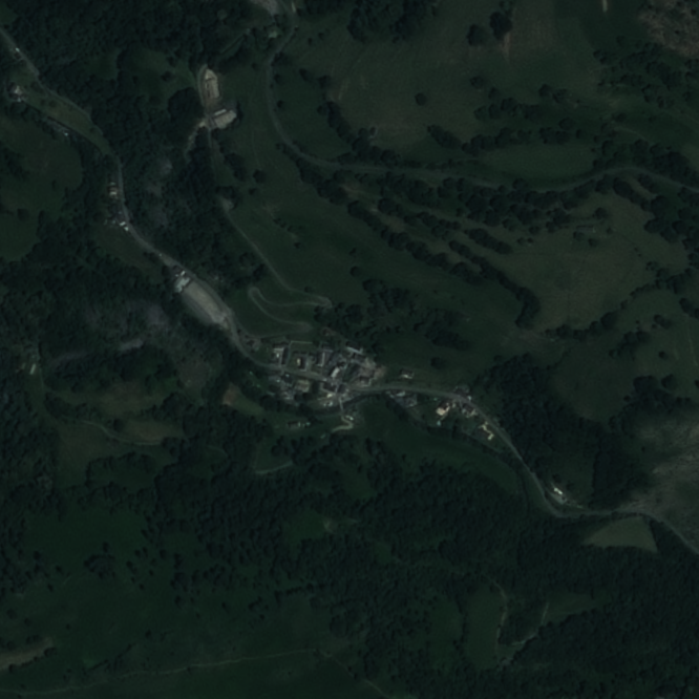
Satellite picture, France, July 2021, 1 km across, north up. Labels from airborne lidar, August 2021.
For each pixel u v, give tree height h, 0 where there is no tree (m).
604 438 24
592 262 0
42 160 0
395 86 0
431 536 12
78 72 23
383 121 0
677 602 18
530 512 8
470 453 0
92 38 14
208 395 12
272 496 18
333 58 0
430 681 10
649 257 0
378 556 8
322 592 10
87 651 0
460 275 26
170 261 0
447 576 11
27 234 0
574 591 13
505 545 19
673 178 10
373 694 0
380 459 18
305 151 10
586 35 0
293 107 0
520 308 0
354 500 15
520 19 0
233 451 33
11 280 25
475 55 0
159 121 20
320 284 0
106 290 15
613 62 22
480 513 10
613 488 15
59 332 6
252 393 9
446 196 27
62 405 26
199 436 16
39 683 0
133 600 0
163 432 0
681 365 0
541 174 0
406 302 26
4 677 0
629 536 0
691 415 0
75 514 0
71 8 18
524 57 0
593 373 0
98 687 0
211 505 10
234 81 0
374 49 0
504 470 0
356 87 0
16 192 0
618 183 19
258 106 0
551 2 0
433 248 0
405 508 13
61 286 28
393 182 20
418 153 0
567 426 22
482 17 0
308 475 14
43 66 9
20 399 25
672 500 0
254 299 0
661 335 0
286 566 24
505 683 15
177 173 6
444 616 0
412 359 0
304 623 0
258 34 19
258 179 15
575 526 12
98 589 0
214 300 0
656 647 6
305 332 0
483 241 20
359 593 15
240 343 0
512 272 0
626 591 22
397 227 0
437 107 0
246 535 14
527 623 11
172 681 0
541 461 6
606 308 0
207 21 28
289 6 0
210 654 0
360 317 27
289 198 0
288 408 11
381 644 19
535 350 0
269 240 0
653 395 11
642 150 20
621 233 0
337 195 27
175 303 14
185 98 21
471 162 9
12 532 9
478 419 8
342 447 21
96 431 0
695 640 12
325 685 0
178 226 18
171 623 0
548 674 7
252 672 0
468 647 8
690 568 16
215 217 16
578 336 22
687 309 17
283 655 0
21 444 12
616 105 0
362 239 0
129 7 22
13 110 16
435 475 9
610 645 10
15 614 13
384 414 0
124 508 13
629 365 0
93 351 22
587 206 0
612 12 0
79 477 0
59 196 0
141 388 0
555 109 0
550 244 0
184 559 23
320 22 0
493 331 0
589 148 0
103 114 18
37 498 30
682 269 0
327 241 0
